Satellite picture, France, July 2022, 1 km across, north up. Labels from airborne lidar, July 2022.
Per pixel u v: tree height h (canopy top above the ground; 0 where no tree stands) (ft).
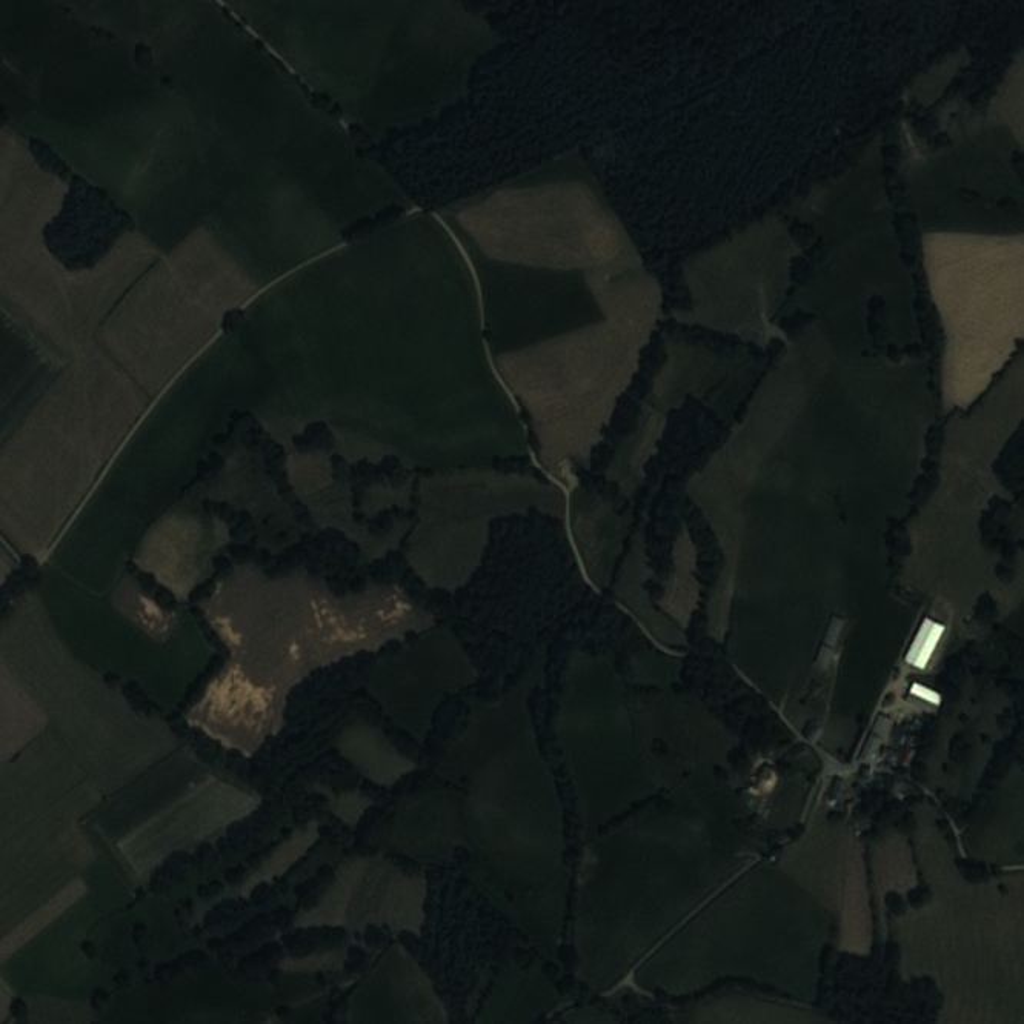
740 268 0
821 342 0
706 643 66
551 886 0
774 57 82
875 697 0
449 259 0
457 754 0
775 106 84
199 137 0
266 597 0
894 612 0
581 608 45
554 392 0
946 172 0
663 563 83
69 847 0
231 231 0
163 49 0
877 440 0
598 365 0
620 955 0
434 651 0
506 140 59
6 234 0
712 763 0
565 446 0
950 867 0
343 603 0
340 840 62
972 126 0
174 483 0
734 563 0
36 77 0
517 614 46
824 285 0
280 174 0
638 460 0
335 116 53
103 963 0
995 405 0
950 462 0
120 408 0
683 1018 0
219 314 0
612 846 0
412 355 0
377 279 0
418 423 0
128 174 0
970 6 56
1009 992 0
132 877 0
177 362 0
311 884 42
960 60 0
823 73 73
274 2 0
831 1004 41
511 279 0
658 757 20
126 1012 0
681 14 91
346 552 83
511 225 0
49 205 0
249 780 49
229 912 77
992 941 0
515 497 0
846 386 0
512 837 0
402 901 0
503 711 0
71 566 0
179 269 0
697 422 99
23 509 0
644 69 73
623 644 38
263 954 79
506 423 0
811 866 0
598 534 0
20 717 0
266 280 0
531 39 74
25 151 0
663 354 66
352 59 0
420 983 0
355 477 67
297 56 0
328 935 67
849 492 0
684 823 0
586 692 0
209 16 0
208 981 0
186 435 0
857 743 21
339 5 0
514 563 59
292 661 0
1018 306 0
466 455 0
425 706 0
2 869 0
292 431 0
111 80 0
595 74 85
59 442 0
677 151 85
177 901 0
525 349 0
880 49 91
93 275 0
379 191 0
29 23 0
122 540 0
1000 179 0
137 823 0
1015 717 44
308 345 0
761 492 0
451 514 0
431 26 0
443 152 84
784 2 92
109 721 0
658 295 0
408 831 0
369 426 0
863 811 40
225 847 56
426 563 0
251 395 0
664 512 76
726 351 84
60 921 0
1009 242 0
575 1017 0
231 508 33
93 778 0
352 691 75
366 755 0
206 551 0
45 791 0
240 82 0
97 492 0
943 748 0
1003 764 55
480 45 0
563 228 0
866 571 0
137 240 0
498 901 0
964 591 0
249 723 0
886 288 0
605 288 0
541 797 0
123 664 0
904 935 0
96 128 0
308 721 71
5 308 0
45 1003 0
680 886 0
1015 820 0
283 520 0
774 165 75
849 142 62
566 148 62
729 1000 0
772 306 0
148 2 0
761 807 0
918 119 47
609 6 85
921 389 0
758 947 0
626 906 0
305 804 66
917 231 67
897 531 62
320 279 0
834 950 43
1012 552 75
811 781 31
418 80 0
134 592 0
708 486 0
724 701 33
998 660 0
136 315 0
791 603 0
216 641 48
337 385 0
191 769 0
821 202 0
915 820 57
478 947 82
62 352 0
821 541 0
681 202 89
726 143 83
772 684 0
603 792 0
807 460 0
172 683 0
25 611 0
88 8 0
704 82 90
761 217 50
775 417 0
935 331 68
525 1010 0
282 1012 37
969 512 0
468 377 0
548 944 0
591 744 0
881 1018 46
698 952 0
